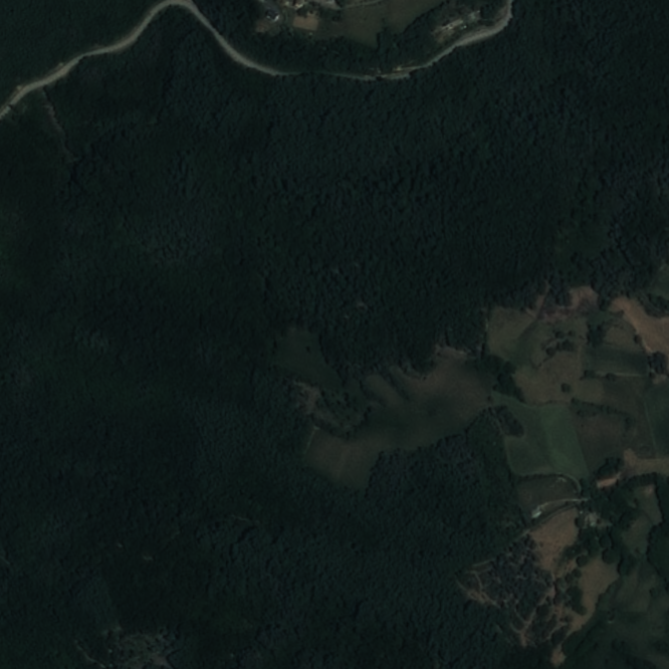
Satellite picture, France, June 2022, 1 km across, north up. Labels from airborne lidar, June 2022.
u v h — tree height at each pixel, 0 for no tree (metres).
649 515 0
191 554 8
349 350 13
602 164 12
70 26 14
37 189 24
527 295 18
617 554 18
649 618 0
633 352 0
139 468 22
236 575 19
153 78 20
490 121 24
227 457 24
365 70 18
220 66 15
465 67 35
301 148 34
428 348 14
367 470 0
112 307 13
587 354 0
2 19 18
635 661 13
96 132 17
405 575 31
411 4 0
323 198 23
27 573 17
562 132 21
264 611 12
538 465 0
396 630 27
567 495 0
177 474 16
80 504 25
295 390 26
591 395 0
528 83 24
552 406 0
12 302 28
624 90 14
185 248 8
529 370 0
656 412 0
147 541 13
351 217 22
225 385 15
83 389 15
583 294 0
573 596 11
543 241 23
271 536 19
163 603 10
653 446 0
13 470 26
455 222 18
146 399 12
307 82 35
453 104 24
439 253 26
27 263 23
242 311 23
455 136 22
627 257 21
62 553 18
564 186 21
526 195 14
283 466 21
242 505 24
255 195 23
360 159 34
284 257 19
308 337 0
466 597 17
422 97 28
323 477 11
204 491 21
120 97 16
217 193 14
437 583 33
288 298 8
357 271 22
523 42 30
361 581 28
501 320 0
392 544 21
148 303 11
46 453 24
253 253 20
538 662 10
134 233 7
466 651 23
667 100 14
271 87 19
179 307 9
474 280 15
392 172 26
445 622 32
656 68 15
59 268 14
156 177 23
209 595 27
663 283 0
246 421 26
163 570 11
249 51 7
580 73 14
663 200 16
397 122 39
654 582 0
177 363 10
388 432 0
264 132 17
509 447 0
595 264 17
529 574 21
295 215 34
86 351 11
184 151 22
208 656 8
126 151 25
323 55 17
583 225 11
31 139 11
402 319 15
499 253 23
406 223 26
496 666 22
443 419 0
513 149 18
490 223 22
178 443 20
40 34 8
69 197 8
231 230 21
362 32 0
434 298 21
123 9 17
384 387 0
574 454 0
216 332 16
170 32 27
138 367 9
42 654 19
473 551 25
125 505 19
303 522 19
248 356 16
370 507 24
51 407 13
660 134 26
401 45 15
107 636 6
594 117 21
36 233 21
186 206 18
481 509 20
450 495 18
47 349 15
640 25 15
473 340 23
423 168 30
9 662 23
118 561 13
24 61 15
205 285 15
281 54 18
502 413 16
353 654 7
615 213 6
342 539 23
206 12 27
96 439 24
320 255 21
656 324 0
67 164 7
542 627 9
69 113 14
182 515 16
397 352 13
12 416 21
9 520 13
